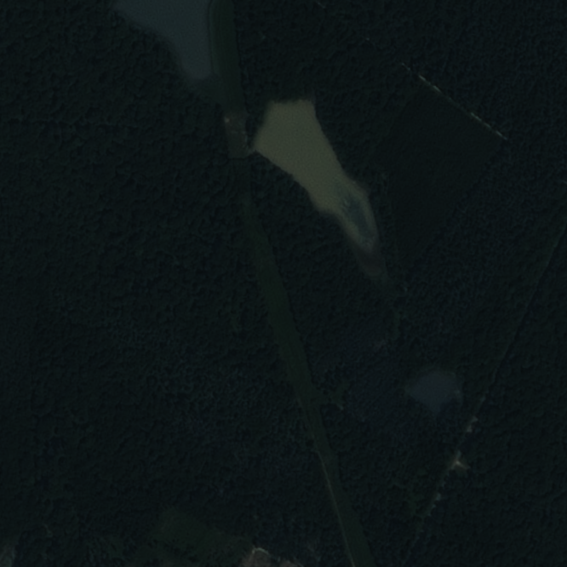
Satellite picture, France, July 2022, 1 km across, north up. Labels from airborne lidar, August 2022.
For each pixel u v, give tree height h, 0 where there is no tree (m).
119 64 27
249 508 22
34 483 27
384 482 24
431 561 23
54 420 29
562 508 23
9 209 21
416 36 25
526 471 23
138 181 8
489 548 28
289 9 25
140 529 15
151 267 23
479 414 18
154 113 25
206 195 26
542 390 24
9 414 26
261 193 21
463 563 24
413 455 6
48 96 23
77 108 17
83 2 24
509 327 23
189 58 0
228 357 20
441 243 19
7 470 25
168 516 0
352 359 23
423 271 23
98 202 26
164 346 28
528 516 23
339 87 23
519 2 25
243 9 20
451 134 9
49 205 18
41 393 22
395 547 24
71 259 25
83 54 29
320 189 0
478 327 13
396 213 8
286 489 19
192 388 25
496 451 18
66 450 27
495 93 20
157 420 23
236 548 0
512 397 21
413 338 15
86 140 22
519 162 19
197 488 14
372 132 27
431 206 10
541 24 22
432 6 24
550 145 24
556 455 24
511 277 18
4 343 20
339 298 25
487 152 8
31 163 19
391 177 7
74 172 22
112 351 26
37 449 24
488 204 23
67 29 26
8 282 21
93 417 21
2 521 26
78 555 24
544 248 24
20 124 19
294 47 22
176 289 21
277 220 16
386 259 15
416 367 18
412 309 25
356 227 0
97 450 22
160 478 9
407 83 28
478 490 26
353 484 22
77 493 21
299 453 23
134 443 26
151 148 28
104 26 28
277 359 21
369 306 17
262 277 0
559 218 24
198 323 19
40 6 23
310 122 0
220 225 24
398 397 21
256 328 22
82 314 23
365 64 23
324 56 19
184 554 6
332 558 20
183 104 24
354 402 21
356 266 19
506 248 25
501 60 25
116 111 25
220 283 23
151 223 25
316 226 19
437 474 9
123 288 22
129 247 17
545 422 24
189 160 27
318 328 22
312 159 0
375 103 24
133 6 0
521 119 16
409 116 7
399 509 6
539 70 23
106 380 21
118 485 9
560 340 21
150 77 28
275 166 5
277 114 0
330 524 16
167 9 0
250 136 6
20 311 19
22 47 26
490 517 25
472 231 19
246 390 24
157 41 9
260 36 24
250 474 19
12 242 21
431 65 13
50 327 15
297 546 17
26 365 19
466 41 25
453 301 21
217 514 25
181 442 24
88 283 22
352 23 21
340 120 18
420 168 9
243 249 21
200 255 24
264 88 23
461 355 15
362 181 15
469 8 13
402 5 22
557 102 24
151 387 22
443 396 0
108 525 17
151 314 23
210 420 21
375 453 23
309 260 29
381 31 21
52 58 24
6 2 21
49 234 22
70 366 24
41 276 24
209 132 19
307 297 23
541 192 19
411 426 25
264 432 25
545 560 25
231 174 11
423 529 0
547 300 21
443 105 10
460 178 10
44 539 28
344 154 16
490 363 25
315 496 17
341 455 26
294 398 20
